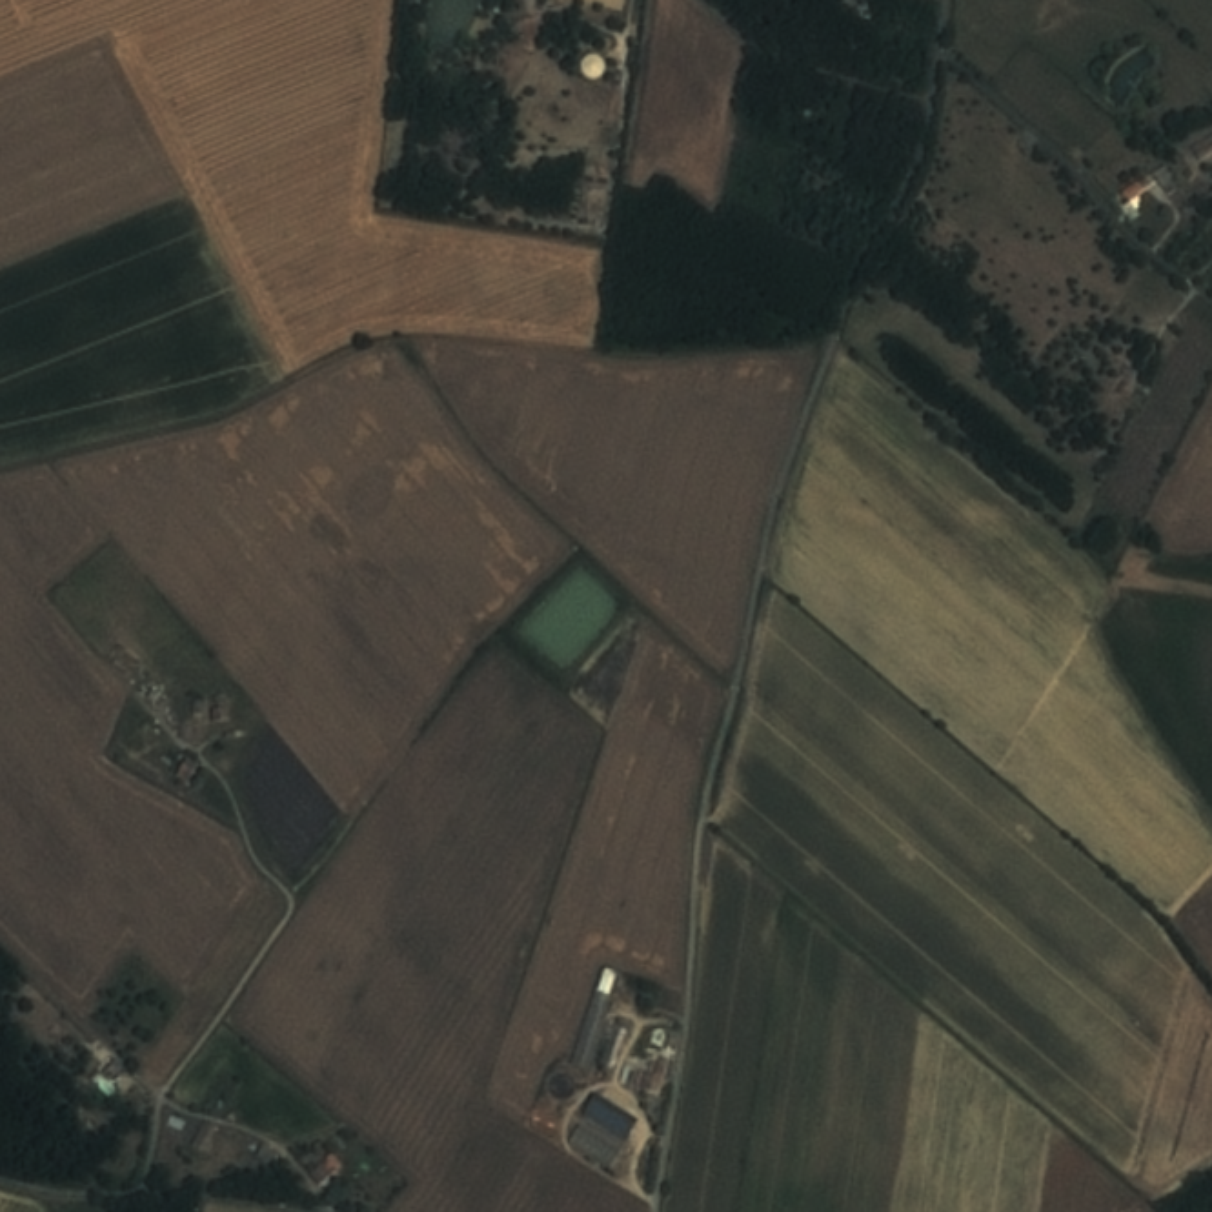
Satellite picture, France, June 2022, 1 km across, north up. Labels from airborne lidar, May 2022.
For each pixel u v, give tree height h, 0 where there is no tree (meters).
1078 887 0
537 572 0
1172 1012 0
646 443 0
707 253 14
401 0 11
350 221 0
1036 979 0
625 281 13
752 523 0
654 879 0
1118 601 0
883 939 0
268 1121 0
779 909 0
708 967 0
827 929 0
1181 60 0
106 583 0
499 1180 0
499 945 0
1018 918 0
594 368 0
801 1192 0
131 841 0
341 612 0
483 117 18
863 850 0
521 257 0
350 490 0
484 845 0
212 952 0
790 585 0
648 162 0
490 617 0
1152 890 0
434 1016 0
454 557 0
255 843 0
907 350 14
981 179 0
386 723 0
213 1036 0
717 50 0
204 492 0
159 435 0
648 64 0
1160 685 0
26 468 0
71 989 0
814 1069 0
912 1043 0
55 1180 14
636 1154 0
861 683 0
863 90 13
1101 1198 0
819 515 0
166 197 0
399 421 0
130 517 0
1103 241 7
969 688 0
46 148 0
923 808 0
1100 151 0
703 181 0
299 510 0
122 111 0
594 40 11
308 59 0
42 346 0
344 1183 8
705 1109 0
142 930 0
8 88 0
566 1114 0
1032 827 0
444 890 0
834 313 18
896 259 16
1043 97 0
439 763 0
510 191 9
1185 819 0
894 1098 0
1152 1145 0
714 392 0
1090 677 0
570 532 0
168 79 0
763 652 0
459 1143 0
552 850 0
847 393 0
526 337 0
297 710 0
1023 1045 0
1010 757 0
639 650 0
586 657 0
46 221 0
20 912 0
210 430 0
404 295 0
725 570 0
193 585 0
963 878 0
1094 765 0
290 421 0
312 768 0
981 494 0
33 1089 18
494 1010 0
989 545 0
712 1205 0
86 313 0
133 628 0
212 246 0
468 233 0
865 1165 0
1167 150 11
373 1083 0
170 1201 24
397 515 0
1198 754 0
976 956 0
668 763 0
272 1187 18
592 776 0
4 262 0
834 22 17
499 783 0
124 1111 6
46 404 0
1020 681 0
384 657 0
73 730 0
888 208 14
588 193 0
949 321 18
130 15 0
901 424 0
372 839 0
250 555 0
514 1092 0
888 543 0
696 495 0
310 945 0
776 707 0
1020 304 0
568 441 0
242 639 0
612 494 0
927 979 0
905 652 0
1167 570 0
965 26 0
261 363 0
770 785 0
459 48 10
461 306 0
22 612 0
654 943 0
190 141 0
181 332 0
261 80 0
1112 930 0
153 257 0
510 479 0
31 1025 0
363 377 0
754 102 11
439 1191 0
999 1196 0
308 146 0
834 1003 0
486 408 0
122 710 0
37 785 0
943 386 12
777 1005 0
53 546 0
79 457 0
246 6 0
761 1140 0
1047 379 10
